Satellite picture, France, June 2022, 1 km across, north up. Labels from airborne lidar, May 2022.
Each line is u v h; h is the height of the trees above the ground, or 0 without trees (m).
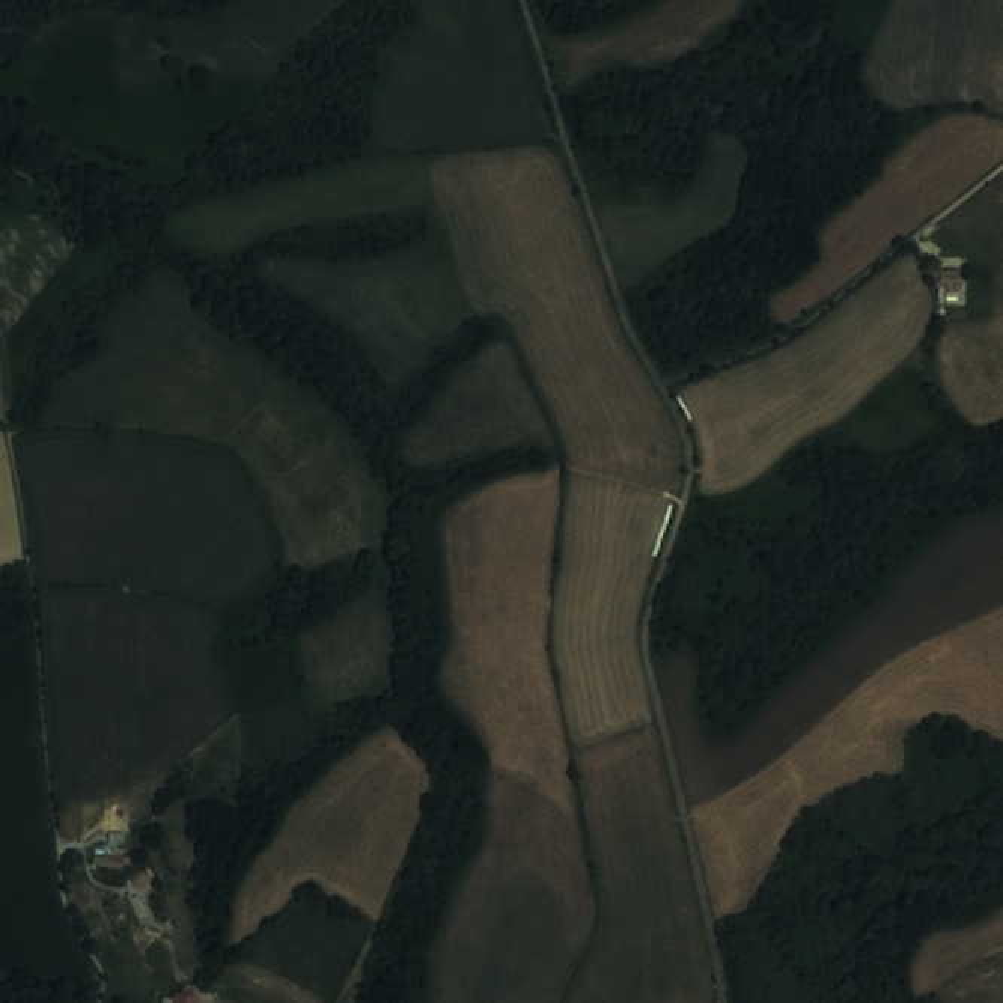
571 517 0
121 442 0
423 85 0
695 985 0
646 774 0
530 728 0
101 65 0
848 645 0
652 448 0
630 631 0
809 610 13
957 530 0
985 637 0
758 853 0
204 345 0
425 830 6
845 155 15
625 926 0
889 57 0
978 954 0
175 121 0
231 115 0
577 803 0
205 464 0
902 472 7
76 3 7
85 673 0
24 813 0
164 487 0
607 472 0
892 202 0
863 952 26
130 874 9
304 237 6
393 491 12
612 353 0
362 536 0
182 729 0
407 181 0
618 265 0
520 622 0
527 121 0
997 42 0
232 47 0
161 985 0
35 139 18
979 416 0
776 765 0
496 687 0
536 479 0
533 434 0
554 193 0
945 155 0
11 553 0
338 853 0
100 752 0
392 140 0
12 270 0
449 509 0
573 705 0
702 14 0
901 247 10
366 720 18
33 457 0
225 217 0
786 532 6
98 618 0
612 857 0
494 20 0
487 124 0
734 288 15
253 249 10
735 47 6
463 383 0
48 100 0
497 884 0
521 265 0
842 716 0
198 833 13
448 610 0
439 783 7
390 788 0
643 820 0
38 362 7
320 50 13
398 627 14
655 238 0
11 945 0
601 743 0
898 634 0
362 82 8
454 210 0
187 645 0
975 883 22
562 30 8
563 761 0
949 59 0
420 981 16
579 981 0
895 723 0
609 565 0
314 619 20
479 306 0
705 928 0
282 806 25
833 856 6
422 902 21
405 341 0
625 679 0
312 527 0
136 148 0
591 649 0
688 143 11
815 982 7
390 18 10
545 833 0
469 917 0
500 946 0
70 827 0
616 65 0
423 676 19
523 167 0
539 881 0
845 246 0
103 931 0
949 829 20
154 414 0
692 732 0
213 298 8
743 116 15
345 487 0
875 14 0
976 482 21
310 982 0
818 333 0
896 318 0
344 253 10
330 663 0
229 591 0
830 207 20
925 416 0
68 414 0
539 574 0
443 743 14
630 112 14
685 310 20
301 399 0
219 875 18
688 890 0
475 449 0
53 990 20
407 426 12
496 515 0
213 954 21
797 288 0
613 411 0
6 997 35
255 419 0
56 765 0
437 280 0
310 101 11
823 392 0
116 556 0
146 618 0
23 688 0
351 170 0
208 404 0
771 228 26
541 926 0
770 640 14
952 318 0
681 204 0
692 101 15
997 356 0
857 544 19
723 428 0
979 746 17
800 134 20
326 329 7
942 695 0
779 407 0
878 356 0
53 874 0
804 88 22
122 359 0
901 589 0
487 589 0
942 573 0
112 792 0
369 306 0
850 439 0
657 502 0
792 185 23
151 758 0
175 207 11
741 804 0
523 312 0
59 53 0
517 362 0
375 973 6
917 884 27
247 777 10
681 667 0
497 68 0
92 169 22
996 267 0
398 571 19
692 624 0
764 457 0
